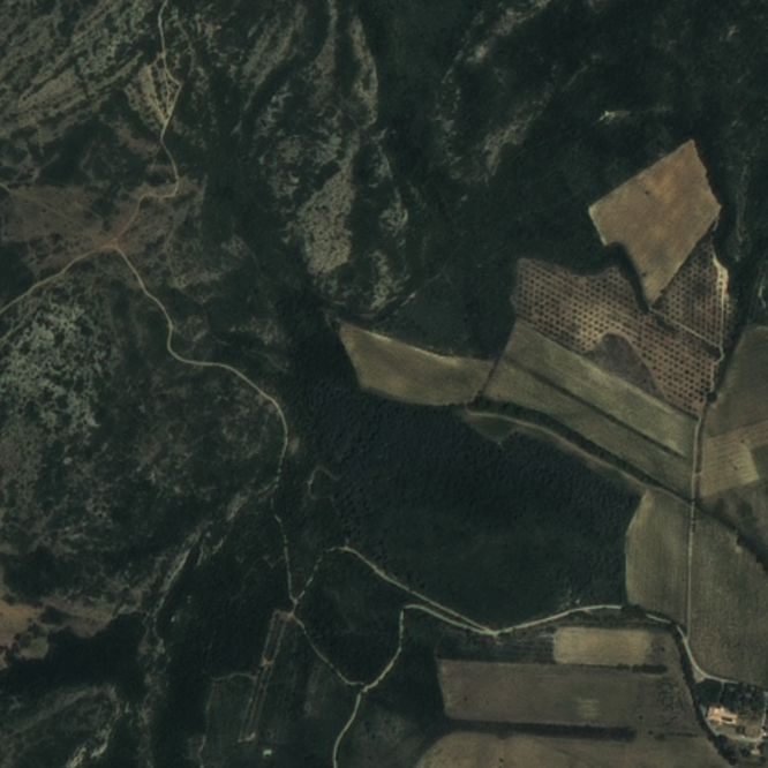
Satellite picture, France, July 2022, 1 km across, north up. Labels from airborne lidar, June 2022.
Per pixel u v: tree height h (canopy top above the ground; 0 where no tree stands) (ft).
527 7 0
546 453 31
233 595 22
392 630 29
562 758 0
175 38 0
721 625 0
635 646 0
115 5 0
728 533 0
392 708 20
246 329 0
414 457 42
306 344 26
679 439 0
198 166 0
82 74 0
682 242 0
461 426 33
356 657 28
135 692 30
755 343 0
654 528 0
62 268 0
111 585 0
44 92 0
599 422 0
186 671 27
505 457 25
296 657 37
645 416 0
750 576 0
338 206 0
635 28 19
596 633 0
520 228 21
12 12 0
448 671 0
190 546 56
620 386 0
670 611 0
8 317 0
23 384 0
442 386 0
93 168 0
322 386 32
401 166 25
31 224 0
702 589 0
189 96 0
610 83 26
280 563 23
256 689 18
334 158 0
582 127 23
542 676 0
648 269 0
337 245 0
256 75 0
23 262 0
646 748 0
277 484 29
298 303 24
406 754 0
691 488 0
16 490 0
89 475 0
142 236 0
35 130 0
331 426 41
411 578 51
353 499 28
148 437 0
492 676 0
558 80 23
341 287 0
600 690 0
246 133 0
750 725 0
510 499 21
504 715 0
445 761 0
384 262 0
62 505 0
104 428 0
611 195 0
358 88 0
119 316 0
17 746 0
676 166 0
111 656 24
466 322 28
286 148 0
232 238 0
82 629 0
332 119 0
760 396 0
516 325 0
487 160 0
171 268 0
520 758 0
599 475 19
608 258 28
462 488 22
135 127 0
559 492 31
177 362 0
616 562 24
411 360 0
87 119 0
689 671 38
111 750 28
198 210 0
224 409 0
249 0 0
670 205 0
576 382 0
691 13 19
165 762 21
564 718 0
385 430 44
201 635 25
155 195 0
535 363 0
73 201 0
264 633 22
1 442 0
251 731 0
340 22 0
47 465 0
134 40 0
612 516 29
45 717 0
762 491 0
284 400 20
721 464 0
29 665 19
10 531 0
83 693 0
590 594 21
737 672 0
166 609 28
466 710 0
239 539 20
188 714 22
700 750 0
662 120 22
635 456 0
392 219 0
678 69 23
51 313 0
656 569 0
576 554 20
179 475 0
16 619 0
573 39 18
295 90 0
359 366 0
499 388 0
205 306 0
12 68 0
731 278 22
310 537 19
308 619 19
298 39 0
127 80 0
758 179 29
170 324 0
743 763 0
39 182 0
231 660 21
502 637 20
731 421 0
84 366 0
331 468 18
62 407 0
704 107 20
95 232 0
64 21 0
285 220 0
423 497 20
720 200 24
